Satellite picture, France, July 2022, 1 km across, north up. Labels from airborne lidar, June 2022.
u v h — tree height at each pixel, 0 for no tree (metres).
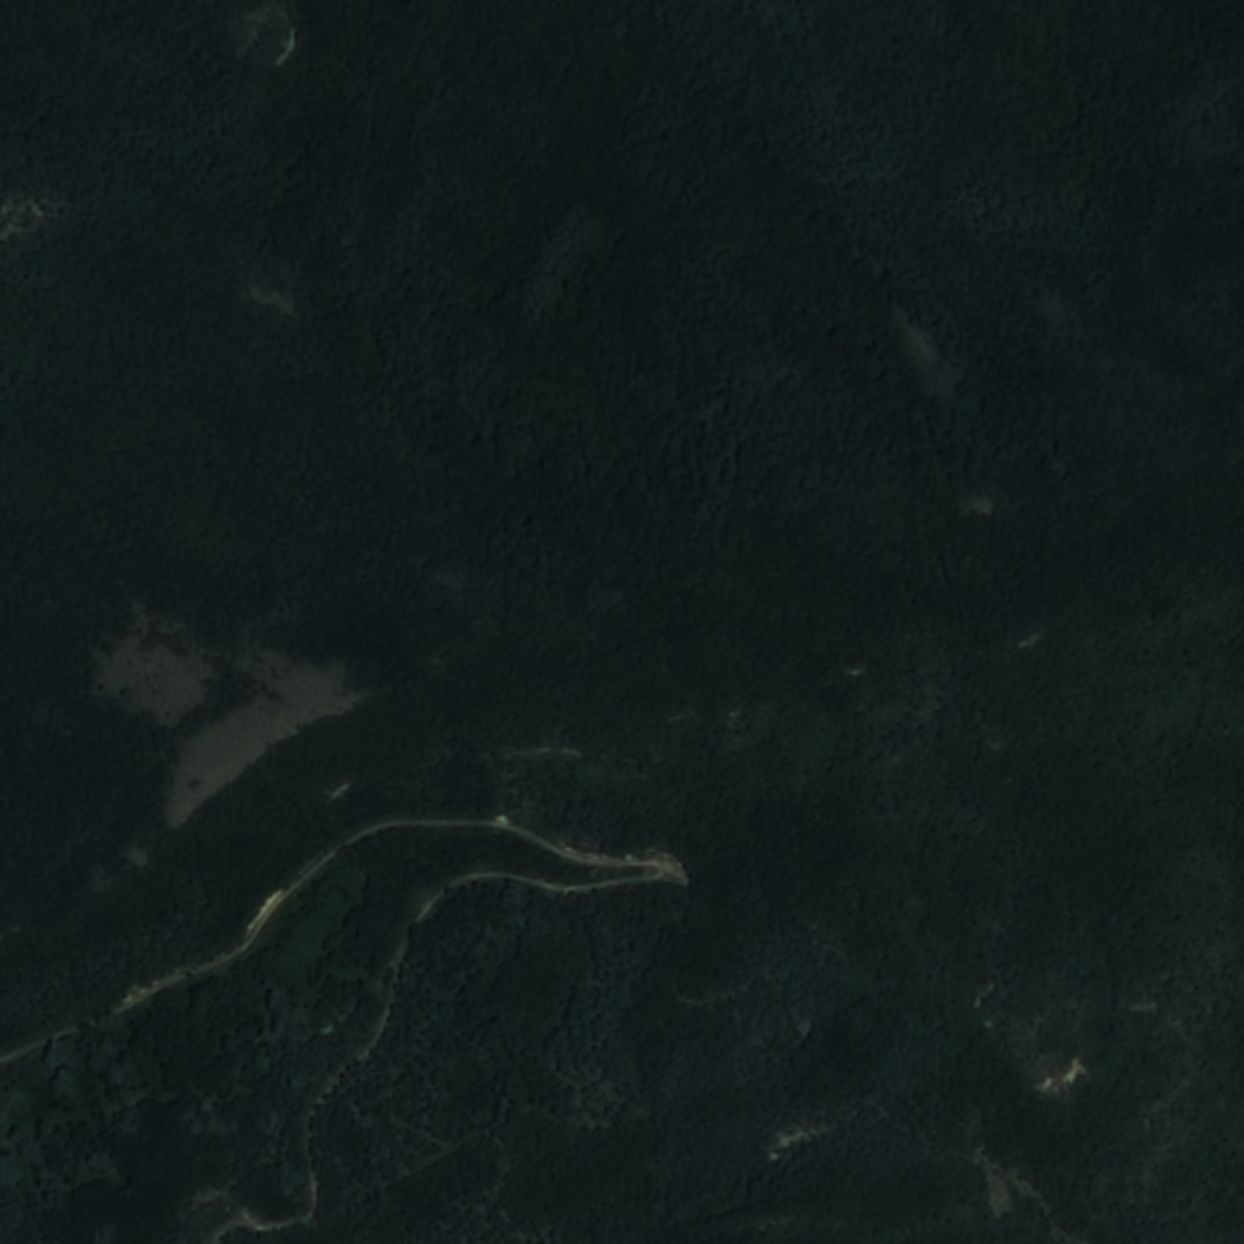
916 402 13
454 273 12
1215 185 6
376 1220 10
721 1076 10
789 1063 9
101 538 10
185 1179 7
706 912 10
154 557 11
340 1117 15
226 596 10
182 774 0
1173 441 9
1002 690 8
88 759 10
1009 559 13
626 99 17
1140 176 13
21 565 13
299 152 7
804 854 14
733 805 11
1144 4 12
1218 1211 8
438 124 8
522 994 9
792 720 9
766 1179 9
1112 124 13
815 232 14
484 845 10
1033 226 9
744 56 13
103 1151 12
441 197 12
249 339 8
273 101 11
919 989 7
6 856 9
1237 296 13
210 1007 16
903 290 15
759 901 7
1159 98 7
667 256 13
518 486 12
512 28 15
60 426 11
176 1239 14
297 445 9
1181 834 6
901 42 14
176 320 11
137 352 9
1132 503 12
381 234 17
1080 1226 8
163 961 13
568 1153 7
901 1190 11
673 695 11
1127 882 15
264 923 0
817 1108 9
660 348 11
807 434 10
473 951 18
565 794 10
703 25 11
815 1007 6
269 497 15
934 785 7
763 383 6
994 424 11
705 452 14
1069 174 10
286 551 11
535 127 15
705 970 10
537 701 10
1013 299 12
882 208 11
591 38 11
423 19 12
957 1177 7
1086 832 12
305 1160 15
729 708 8
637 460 15
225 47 7
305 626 9
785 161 13
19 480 11
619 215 16
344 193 13
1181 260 9
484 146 12
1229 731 12
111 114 9
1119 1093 7
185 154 15
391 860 9
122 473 11
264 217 12
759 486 9
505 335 19
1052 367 10
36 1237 13
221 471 11
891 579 14
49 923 10
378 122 16
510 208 15
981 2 9
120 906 13
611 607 7
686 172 10
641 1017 11
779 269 12
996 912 7
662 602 9
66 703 8
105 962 12
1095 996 10
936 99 11
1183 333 5
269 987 24
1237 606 6
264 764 11
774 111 10
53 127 9
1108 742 6
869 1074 9
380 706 10
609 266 12
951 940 11
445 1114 12
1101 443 6
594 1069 11
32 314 7
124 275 8
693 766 10
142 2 8
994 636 10
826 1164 10
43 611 8
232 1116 15
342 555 11
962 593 16
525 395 14
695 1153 11
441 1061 14
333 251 18
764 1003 9
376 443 9
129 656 0
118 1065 16
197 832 12
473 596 8
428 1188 8
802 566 14
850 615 11
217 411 11
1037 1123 10
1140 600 10
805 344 18
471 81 12
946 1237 8
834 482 11
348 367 14
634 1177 8
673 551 13
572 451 15
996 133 10
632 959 15
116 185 14
